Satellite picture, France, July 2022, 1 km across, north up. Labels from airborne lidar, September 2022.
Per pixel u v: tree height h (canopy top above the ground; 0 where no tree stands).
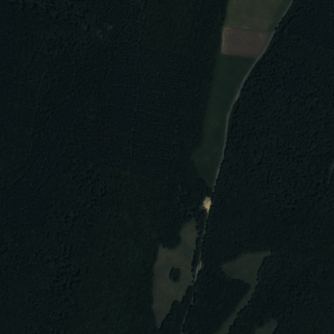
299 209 23
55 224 22
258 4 0
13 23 21
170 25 13
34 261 20
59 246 24
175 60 15
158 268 0
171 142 19
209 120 0
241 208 21
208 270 17
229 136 6
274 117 21
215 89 0
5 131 17
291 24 22
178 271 14
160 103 13
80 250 20
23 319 16
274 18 0
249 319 18
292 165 18
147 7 16
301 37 17
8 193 19
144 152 18
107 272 14
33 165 19
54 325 21
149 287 18
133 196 19
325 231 17
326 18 20
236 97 0
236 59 0
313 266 22
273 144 19
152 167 19
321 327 16
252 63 0
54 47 13
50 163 19
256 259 0
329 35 23
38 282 16
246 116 19
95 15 17
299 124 20
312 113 18
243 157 19
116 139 16
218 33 9
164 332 17
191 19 14
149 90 18
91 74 15
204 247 14
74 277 15
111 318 16
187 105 19
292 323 20
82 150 20
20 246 25
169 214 17
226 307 19
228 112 0
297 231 20
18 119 17
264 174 21
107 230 15
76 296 21
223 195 14
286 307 20
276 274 14
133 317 19
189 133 17
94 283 16
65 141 21
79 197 24
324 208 22
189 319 15
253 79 15
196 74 21
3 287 22
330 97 18
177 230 17
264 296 20
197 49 18
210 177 0
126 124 21
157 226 19
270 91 18
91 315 14
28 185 18
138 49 19
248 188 16
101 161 25
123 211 18
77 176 24
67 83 15
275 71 17
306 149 16
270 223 23
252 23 0
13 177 26
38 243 19
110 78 20
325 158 21
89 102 14
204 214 17
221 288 21
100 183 20
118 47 19
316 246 17
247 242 20
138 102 17
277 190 19
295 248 20
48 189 20
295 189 17
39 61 10
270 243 23
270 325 0
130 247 14
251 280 0
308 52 17
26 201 19
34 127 19
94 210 25
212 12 16
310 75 17
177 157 17
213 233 19
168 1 9
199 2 18
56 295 23
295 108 19
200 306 17
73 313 20
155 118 18
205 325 14
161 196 17
